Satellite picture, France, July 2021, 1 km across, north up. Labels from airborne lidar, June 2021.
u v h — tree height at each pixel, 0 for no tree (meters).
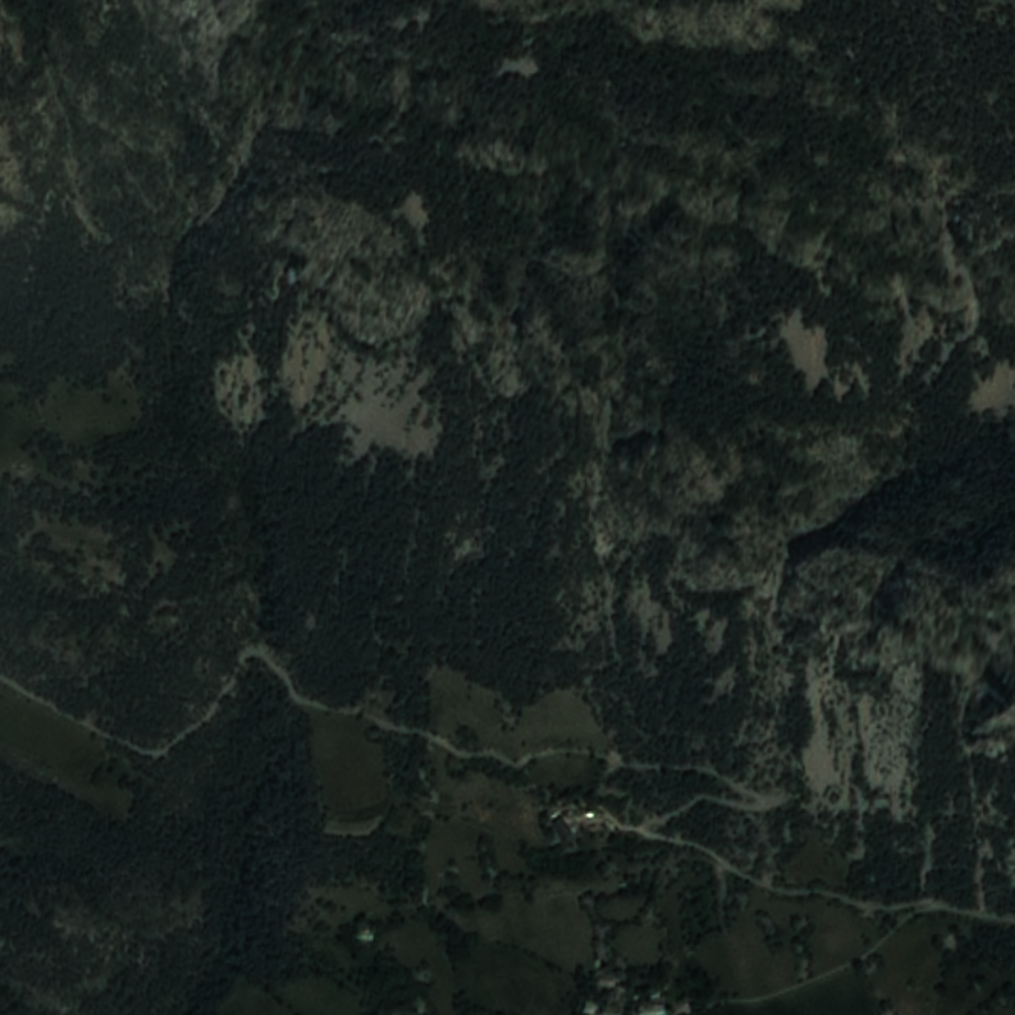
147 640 9
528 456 9
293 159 7
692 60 8
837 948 0
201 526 10
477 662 13
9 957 6
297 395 0
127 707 7
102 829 11
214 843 17
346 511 13
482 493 7
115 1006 13
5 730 0
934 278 6
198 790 10
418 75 8
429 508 11
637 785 9
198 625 8
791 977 0
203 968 12
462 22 11
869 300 10
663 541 11
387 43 7
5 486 7
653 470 15
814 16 10
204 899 17
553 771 0
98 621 7
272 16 7
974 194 6
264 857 7
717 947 0
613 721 8
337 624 10
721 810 6
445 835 0
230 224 12
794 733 10
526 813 0
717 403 11
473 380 8
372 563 9
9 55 8
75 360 17
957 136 8
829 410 7
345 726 0
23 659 9
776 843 8
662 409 6
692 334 7
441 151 7
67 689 7
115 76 7
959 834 9
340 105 9
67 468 7
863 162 15
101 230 7
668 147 8
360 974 11
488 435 11
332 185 11
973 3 9
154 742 6
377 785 0
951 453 9
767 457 9
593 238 9
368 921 8
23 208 6
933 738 12
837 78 7
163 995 9
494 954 0
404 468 8
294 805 11
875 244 11
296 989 0
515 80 13
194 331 10
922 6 7
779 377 8
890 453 6
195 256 7
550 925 0
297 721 9
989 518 10
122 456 6
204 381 9
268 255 7
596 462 6
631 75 13
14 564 7
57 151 6
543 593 10
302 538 8
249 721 16
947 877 11
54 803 8
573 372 9
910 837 7
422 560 12
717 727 12
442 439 10
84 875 8
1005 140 10
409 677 11
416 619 10
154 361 12
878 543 6
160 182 7
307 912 8
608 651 6
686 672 10
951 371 8
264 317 11
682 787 9
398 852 12
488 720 0
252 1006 0
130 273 10
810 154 8
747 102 6
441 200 7
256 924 13
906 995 0
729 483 9
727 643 8
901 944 0
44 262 10
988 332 7
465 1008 10
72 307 13
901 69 11
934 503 9
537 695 9
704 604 10
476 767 5
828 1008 0
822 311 9
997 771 11
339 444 10
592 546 8
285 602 15
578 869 11
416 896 8
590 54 12
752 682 8
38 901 7
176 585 9
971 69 8
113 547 6
